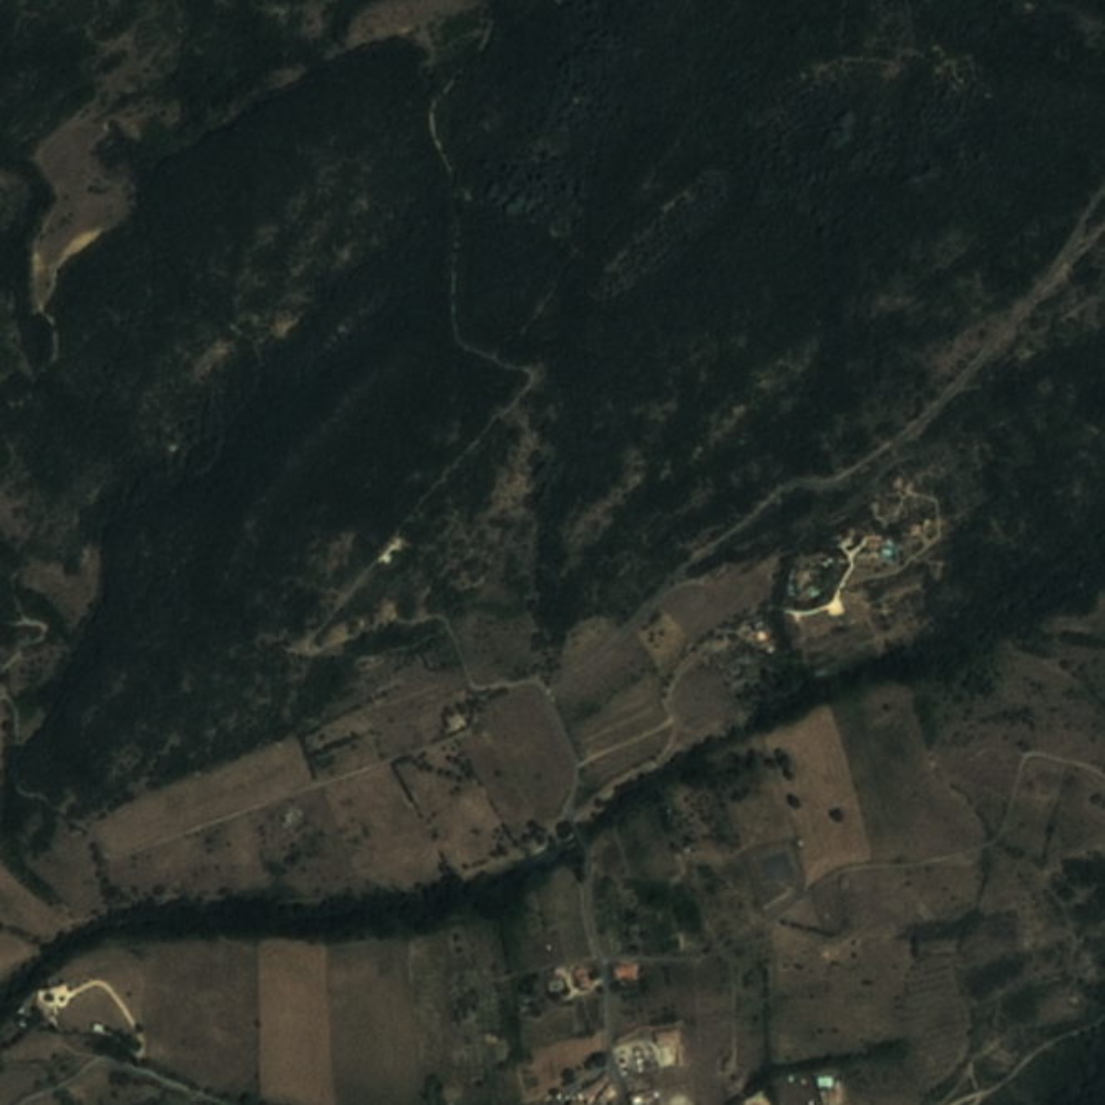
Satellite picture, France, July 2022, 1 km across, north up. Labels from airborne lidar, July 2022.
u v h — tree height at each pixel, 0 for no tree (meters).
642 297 6
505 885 13
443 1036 0
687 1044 0
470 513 7
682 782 7
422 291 6
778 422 7
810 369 8
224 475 8
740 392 8
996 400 9
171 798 0
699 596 0
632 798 18
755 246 6
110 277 7
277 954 0
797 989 0
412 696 0
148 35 0
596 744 0
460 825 0
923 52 8
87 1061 0
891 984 0
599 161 6
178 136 9
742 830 0
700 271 9
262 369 9
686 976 0
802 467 9
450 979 0
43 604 7
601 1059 16
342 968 0
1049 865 0
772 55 6
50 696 7
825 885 0
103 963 0
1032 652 7
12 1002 14
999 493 8
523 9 7
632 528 7
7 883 0
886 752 0
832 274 9
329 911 10
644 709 0
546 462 12
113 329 6
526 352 8
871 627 0
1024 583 12
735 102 7
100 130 0
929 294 6
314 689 6
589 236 8
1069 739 0
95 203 0
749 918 0
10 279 7
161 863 0
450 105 5
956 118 11
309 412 6
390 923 13
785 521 6
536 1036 0
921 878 0
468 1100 0
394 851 0
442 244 7
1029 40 8
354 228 6
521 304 5
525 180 17
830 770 0
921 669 15
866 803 0
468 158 6
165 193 6
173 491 10
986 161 6
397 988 0
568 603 8
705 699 0
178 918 19
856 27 6
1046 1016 0
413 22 0
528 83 7
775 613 7
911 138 8
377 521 5
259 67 7
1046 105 6
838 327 7
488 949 0
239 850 0
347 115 6
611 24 8
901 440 0
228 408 9
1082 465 6
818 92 8
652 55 6
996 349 0
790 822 0
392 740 0
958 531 6
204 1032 0
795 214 8
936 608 7
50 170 0
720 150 7
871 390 6
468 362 7
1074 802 0
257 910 12
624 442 5
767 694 13
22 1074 0
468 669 0
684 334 7
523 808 0
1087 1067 6
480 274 6
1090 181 8
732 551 7
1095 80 7
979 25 13
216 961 0
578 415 7
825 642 0
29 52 6
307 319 7
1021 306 0
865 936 0
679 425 6
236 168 6
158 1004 0
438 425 6
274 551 6
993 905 0
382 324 6
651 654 0
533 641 5
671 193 7
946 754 0
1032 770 0
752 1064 0
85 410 8
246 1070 0
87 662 8
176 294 6
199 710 6
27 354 7
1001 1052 0
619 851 0
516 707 0
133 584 6
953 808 0
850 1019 0
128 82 0
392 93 6
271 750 0
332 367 7
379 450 6
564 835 10
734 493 7
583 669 0
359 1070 0
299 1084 0
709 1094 0
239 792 0
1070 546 9
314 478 7
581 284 8
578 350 8
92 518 11
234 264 6
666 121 7
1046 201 6
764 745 0
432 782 0
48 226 0
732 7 6
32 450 8
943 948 0
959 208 7
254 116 9
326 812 0
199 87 10
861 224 9
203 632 8
